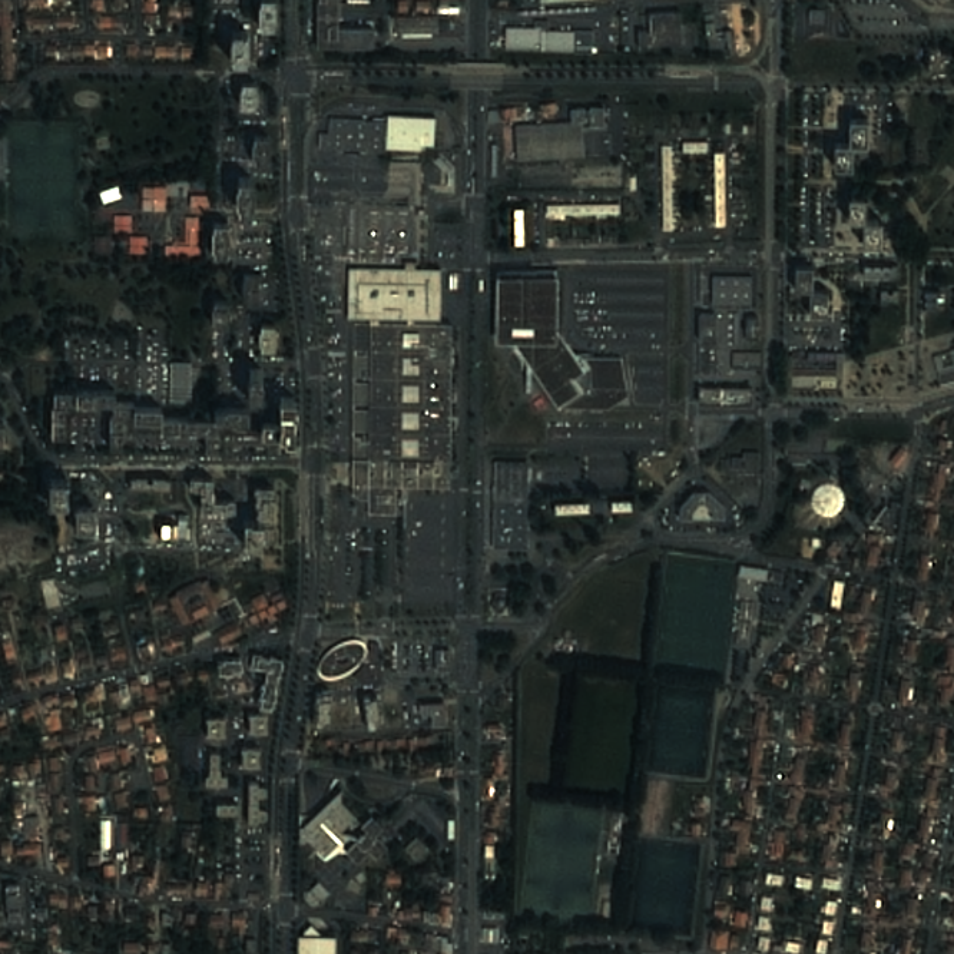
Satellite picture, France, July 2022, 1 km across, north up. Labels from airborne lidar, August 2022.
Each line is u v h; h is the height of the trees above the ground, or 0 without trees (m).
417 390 0
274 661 0
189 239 0
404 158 0
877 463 0
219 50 0
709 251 0
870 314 10
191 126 0
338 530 0
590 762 0
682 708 0
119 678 0
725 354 0
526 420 0
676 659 0
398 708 0
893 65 13
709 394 0
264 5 0
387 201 0
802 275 0
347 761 8
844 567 6
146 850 7
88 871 11
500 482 0
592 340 0
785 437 14
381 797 0
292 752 0
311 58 0
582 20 0
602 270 0
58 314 10
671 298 0
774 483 0
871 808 7
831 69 0
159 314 6
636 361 0
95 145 7
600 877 0
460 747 0
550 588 12
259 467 0
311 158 0
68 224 0
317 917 0
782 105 9
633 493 8
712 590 0
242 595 0
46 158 0
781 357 21
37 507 14
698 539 0
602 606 0
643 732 16
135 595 9
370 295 0
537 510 15
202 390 17
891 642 6
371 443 0
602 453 0
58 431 0
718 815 9
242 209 0
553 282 0
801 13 0
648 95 0
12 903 0
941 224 0
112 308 0
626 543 0
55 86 10
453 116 0
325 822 0
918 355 0
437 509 0
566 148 0
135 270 6
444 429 0
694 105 0
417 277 0
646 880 0
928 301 0
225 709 11
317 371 0
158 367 0
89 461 0
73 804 0
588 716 0
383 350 0
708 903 0
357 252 0
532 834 0
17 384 7
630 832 14
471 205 0
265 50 0
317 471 0
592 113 0
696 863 0
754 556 0
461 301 0
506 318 0
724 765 7
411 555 0
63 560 0
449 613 0
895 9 0
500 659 9
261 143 0
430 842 13
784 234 9
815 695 0
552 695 0
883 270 0
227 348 6
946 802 0
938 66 0
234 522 0
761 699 0
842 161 0
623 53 13
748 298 0
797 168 7
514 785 6
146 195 0
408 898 11
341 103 0
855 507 8
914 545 0
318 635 0
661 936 18
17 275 8
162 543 0
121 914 8
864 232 0
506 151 0
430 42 0
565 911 0
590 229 7
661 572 15
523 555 7
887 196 22
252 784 0
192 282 12
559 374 0
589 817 0
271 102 8
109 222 6
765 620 6
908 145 12
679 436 0
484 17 0
